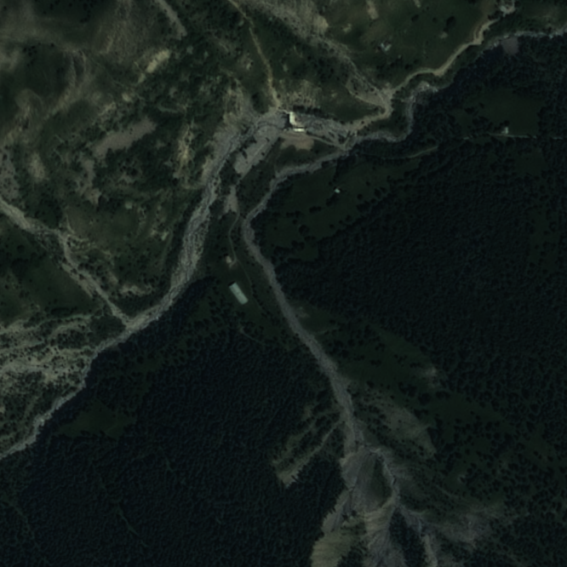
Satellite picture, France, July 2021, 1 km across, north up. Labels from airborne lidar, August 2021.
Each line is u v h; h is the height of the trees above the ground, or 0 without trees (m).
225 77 7
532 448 0
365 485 0
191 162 10
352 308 10
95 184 6
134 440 20
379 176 0
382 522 0
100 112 0
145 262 7
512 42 0
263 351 19
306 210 0
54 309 7
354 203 0
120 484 8
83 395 19
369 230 9
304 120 0
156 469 27
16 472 9
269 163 0
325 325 0
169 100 6
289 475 0
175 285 0
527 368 15
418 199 7
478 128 10
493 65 13
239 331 13
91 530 23
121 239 0
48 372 0
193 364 17
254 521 15
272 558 19
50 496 23
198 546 26
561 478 0
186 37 9
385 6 0
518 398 19
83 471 27
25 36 0
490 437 16
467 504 0
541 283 9
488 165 13
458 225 9
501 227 12
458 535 0
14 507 8
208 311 0
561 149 9
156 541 25
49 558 17
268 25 8
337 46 0
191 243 0
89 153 6
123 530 30
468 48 9
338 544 0
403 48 0
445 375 0
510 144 15
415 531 19
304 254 0
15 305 0
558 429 19
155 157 6
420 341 16
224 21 7
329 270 18
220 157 0
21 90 0
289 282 19
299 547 17
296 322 0
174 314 7
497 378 13
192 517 30
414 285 14
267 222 12
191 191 6
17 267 16
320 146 0
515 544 16
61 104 0
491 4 0
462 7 0
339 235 13
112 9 0
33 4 0
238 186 8
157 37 0
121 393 13
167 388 18
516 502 18
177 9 7
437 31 0
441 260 12
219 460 23
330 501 18
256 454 19
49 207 8
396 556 0
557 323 11
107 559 21
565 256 8
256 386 20
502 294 11
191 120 8
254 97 12
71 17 0
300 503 15
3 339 6
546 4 0
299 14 0
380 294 15
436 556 0
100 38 0
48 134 0
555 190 8
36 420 0
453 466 19
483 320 10
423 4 0
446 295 14
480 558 16
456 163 17
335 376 0
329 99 0
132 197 7
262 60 0
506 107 0
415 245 12
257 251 0
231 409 24
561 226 9
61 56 0
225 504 24
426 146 14
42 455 30
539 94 13
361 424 0
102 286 9
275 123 0
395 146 12
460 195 13
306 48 8
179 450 16
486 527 0
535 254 0
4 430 12
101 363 9
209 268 9
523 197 10
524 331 12
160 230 6
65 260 7
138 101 10
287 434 16
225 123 0
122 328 6
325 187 0
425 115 8
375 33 0
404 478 0
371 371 0
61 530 25
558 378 10
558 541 14
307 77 0
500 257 12
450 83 11
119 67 0
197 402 27
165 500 23
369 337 8
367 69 0
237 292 0
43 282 0
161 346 23
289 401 20
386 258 13
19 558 18
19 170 8
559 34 0
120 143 0
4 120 0
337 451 7
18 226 8
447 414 0
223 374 25
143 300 8
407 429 0
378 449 0
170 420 14
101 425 0
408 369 0
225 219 10
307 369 14
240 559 30
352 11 0
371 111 0
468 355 21
